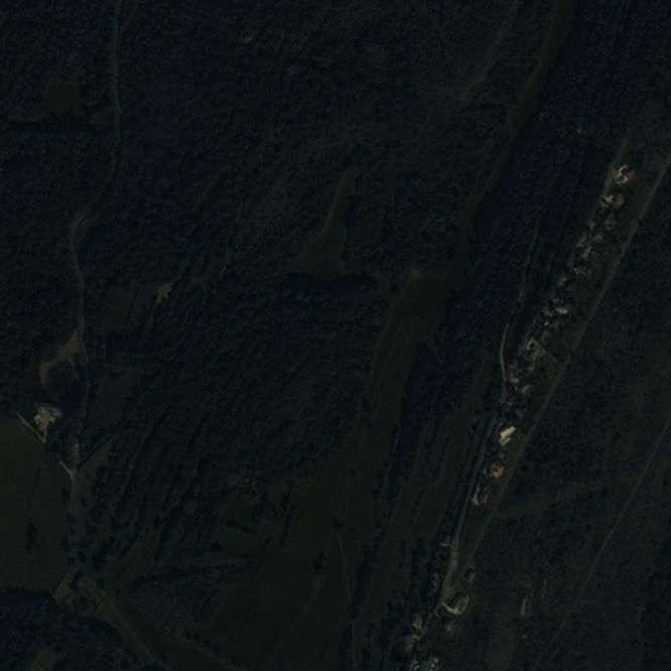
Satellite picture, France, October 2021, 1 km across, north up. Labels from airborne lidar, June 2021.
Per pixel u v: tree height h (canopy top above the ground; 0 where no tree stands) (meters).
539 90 0
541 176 14
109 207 11
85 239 0
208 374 11
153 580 9
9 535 0
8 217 21
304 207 8
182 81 9
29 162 16
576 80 23
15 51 12
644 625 10
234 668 10
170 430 13
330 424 12
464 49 5
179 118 9
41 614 16
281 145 8
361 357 11
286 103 10
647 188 0
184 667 0
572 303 14
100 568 16
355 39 6
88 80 15
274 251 13
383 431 0
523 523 8
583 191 18
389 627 7
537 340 6
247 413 18
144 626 0
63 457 10
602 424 12
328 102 9
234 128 8
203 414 11
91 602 12
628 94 19
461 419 0
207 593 9
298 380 11
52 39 18
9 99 11
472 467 7
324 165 9
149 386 15
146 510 16
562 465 9
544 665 11
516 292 16
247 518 0
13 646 17
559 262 9
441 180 10
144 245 10
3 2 13
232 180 10
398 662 15
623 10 16
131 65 7
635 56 17
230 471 17
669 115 14
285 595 0
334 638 0
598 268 0
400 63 14
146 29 10
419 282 0
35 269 12
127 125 7
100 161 11
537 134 12
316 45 12
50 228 11
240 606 0
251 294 9
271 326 8
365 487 0
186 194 18
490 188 0
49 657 0
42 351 20
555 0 6
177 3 7
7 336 8
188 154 6
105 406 0
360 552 0
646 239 12
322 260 0
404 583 0
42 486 0
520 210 17
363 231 14
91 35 14
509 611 0
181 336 10
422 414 13
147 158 13
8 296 8
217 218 10
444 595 0
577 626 11
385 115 7
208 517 13
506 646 0
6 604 8
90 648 17
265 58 12
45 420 0
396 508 0
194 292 6
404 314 0
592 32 17
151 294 0
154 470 11
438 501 0
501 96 13
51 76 14
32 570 0
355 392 19
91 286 12
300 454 9
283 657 0
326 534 0
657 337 9
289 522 6
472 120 13
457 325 20
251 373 15
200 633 0
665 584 9
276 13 12
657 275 8
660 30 18
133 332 0
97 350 13
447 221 8
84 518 0
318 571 13
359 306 10
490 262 15
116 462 8
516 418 13
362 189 5
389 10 12
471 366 11
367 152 6
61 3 14
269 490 12
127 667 12
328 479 0
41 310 17
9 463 0
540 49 9
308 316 18
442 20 12
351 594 0
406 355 0
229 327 12
